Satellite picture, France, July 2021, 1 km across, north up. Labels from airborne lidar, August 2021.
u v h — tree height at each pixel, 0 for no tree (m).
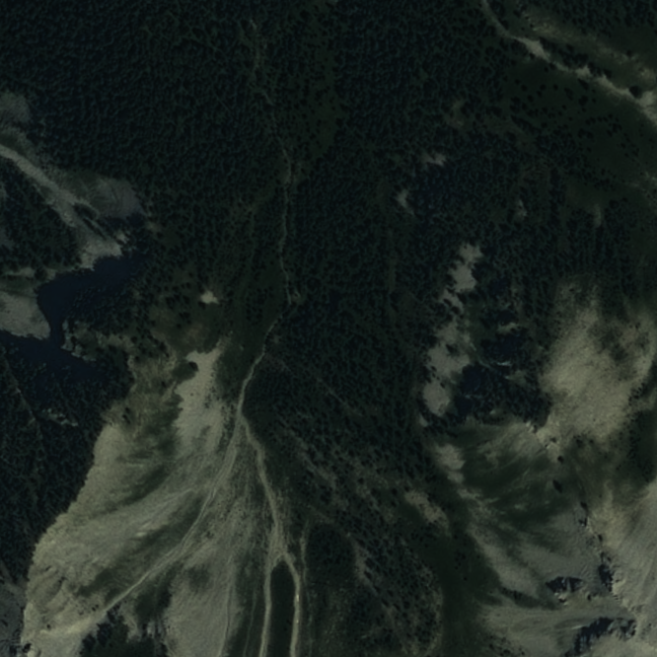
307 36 20
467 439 0
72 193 0
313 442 7
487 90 10
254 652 0
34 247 8
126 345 0
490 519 0
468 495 0
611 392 0
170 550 0
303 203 15
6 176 10
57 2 9
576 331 0
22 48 8
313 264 13
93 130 27
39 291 0
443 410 0
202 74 30
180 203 10
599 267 13
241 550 0
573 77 0
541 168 7
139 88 20
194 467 0
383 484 0
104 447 0
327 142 0
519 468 0
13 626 0
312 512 0
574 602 0
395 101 24
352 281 13
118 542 0
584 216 7
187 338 0
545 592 0
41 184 0
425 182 23
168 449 0
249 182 20
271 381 8
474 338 0
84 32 10
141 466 0
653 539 0
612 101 0
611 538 0
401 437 25
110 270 0
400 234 7
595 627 0
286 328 14
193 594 0
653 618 0
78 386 14
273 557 0
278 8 24
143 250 21
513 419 0
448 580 0
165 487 0
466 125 0
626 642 0
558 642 0
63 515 0
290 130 13
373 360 12
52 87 8
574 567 0
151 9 23
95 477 0
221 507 0
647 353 0
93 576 0
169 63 23
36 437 15
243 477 0
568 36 0
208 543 0
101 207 0
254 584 0
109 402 8
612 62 0
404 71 20
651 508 0
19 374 15
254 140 20
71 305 54
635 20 22
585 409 0
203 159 13
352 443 8
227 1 16
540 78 0
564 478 0
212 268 7
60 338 0
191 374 0
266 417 0
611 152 0
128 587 0
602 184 9
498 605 0
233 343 0
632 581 0
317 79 9
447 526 0
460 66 25
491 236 12
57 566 0
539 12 0
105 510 0
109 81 24
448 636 0
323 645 0
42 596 0
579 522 0
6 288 0
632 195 0
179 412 0
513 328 0
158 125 25
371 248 24
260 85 11
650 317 0
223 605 0
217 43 28
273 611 0
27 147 0
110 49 13
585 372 0
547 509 0
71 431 9
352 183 13
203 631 0
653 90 0
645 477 7
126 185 0
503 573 0
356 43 23
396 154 14
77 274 10
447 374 0
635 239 0
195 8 22
